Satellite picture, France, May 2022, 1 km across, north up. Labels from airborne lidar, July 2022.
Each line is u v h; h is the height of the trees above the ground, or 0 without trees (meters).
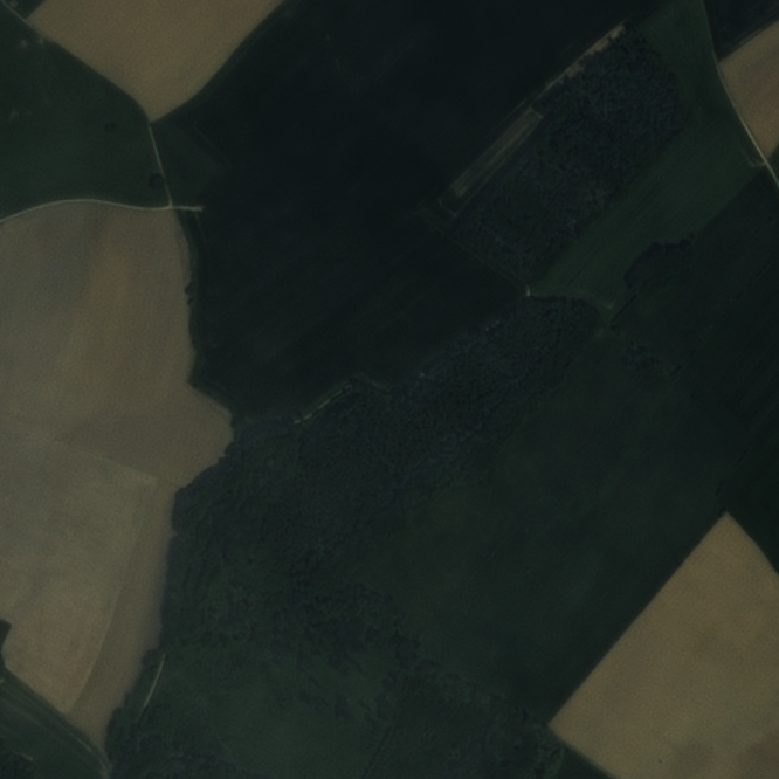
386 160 0
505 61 0
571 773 0
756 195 0
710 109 0
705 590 0
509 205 27
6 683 0
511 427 18
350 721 26
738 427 0
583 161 28
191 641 10
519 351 17
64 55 0
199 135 0
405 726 6
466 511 0
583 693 0
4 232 0
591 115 22
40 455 0
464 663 0
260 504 21
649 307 0
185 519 22
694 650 0
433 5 0
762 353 0
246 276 0
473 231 19
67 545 0
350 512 16
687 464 0
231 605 22
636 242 0
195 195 0
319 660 24
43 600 0
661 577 0
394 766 7
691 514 0
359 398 14
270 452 15
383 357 0
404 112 0
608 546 0
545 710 0
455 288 0
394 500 23
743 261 0
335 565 26
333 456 17
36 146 0
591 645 0
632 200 0
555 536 0
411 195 0
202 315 0
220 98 0
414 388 12
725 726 0
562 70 0
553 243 23
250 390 0
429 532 0
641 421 0
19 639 0
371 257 0
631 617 0
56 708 0
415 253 0
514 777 23
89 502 0
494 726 22
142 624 0
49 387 0
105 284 0
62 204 0
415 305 0
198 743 7
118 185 0
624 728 0
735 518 0
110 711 0
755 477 0
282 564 15
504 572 0
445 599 0
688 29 0
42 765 0
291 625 26
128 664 0
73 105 0
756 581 0
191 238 0
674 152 0
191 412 0
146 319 0
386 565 0
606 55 7
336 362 0
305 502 16
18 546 0
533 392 17
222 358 0
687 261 19
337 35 0
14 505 0
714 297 0
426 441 17
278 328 0
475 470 28
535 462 0
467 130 0
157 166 0
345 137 0
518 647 0
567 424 0
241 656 7
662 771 0
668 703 0
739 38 0
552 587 0
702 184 0
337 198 0
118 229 0
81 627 0
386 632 23
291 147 0
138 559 0
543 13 0
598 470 0
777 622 0
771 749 0
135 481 0
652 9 0
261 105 0
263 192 0
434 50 0
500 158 0
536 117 0
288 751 0
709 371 0
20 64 0
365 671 22
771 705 0
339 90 0
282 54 0
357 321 0
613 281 0
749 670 0
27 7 0
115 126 13
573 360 16
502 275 0
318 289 0
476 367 16
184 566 13
